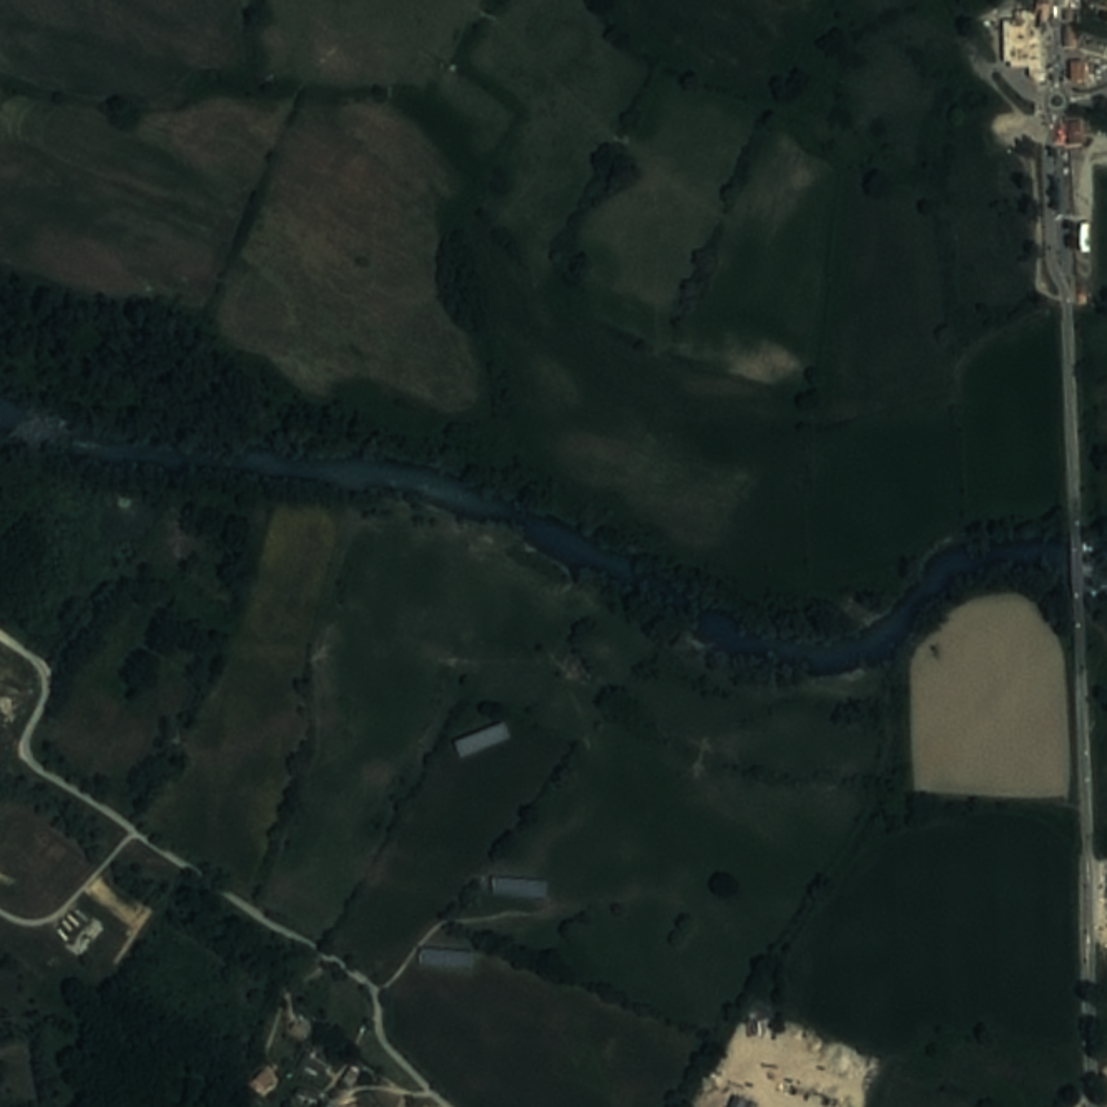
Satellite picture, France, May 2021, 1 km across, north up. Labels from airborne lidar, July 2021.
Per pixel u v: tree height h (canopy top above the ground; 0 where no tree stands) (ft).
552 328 0
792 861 0
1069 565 0
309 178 0
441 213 0
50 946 0
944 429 0
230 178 0
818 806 0
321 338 0
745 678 71
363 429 41
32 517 44
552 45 0
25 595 52
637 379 0
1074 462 0
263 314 0
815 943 0
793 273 0
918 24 0
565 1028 0
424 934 0
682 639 76
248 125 0
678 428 0
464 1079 0
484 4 0
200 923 61
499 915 0
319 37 0
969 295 0
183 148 0
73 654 76
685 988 0
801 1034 0
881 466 0
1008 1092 0
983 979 0
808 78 27
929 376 0
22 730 0
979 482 0
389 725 0
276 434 51
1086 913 0
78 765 0
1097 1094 87
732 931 0
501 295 0
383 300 0
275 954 49
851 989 0
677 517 0
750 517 0
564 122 0
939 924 0
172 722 53
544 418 0
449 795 0
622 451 0
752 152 26
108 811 0
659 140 0
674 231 0
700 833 0
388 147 0
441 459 47
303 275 0
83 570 20
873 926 0
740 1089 0
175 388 119
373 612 0
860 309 0
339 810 0
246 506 36
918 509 0
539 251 0
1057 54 0
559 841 0
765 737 0
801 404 42
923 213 36
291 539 0
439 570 0
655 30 0
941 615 82
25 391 22
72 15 0
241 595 22
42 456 52
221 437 105
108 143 0
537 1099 0
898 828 45
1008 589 63
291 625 0
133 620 0
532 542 0
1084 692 0
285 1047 0
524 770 0
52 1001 0
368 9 0
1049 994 0
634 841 0
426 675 0
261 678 0
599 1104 0
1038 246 54
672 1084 0
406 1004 0
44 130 0
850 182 0
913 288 0
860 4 0
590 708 0
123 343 119
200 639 86
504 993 0
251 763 0
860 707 73
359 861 0
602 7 57
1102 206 0
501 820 0
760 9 0
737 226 0
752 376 0
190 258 0
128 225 0
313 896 0
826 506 0
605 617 0
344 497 49
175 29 0
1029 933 0
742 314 0
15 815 0
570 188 0
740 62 0
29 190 0
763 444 0
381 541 0
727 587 54
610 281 0
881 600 72
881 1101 0
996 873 0
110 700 0
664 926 0
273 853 20
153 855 0
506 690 0
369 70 0
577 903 0
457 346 0
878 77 0
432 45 0
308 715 30
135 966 37
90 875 0
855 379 0
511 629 0
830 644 38
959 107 38
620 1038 0
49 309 93
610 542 61
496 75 0
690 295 44
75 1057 59
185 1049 68
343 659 0
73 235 0
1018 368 0
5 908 0
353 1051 59
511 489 23
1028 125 0
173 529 0
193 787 0
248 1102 33
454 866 0
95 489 49
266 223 0
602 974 0
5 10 0
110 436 48
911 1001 0
